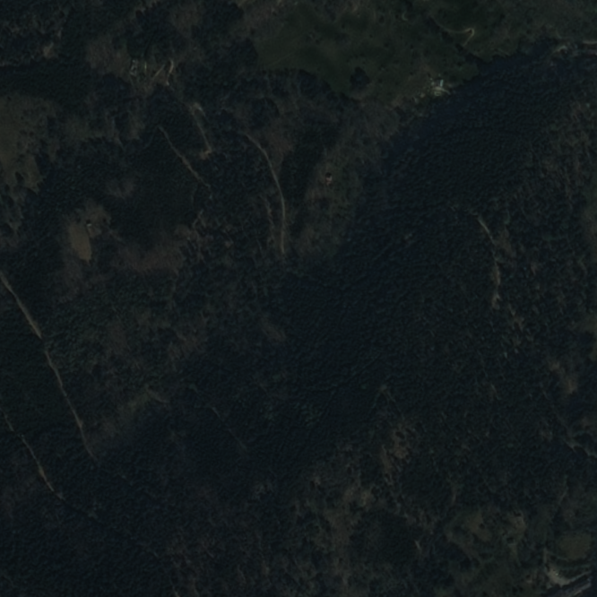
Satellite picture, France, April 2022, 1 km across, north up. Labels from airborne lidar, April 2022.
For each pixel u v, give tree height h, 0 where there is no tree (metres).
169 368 26
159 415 24
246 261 39
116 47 25
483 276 34
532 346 22
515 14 18
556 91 25
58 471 26
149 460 25
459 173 24
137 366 20
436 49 0
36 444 23
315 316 30
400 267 28
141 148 18
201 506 24
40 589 22
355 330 30
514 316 25
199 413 21
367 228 29
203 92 26
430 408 31
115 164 15
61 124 17
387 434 30
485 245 33
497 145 25
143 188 15
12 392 15
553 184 30
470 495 30
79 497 24
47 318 17
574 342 28
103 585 25
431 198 26
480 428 31
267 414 23
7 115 0
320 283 31
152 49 21
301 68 0
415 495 35
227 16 30
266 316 25
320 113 24
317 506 29
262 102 34
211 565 24
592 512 9
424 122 9
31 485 27
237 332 22
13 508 24
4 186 17
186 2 25
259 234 37
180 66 8
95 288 18
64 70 19
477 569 17
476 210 24
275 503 22
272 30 27
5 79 19
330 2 20
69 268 18
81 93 19
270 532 27
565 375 24
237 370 26
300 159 12
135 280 16
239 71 30
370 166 29
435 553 31
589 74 23
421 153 31
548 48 32
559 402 34
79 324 19
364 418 20
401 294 32
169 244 16
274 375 27
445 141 29
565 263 35
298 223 14
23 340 13
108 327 18
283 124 14
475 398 33
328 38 0
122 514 24
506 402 33
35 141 9
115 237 6
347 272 31
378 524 14
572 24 27
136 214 16
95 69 21
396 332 24
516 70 30
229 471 23
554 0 21
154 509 27
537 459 31
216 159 16
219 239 37
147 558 27
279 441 27
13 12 27
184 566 26
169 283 22
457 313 36
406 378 31
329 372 29
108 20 19
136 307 22
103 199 19
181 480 21
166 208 16
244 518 27
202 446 22
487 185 23
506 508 28
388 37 0
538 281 37
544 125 20
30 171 0
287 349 22
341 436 14
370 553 14
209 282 29
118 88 34
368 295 29
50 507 21
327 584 30
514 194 30
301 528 15
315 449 21
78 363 14
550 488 27
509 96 23
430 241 20
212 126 17
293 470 21
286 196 11
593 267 28
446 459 35
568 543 0
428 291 23
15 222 17
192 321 28
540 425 28
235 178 29
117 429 24
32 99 9
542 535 19
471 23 0
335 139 13
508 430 34
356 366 24
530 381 30
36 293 12
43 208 20
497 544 17
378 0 0
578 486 21
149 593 24
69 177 18
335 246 29
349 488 11
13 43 25
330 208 29
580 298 31
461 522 10
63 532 26
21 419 14
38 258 14
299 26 0
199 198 16
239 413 24
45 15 21
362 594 9
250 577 25
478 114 31
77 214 20
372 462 25
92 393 23
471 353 36
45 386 16
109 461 27
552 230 28
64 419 11
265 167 13
